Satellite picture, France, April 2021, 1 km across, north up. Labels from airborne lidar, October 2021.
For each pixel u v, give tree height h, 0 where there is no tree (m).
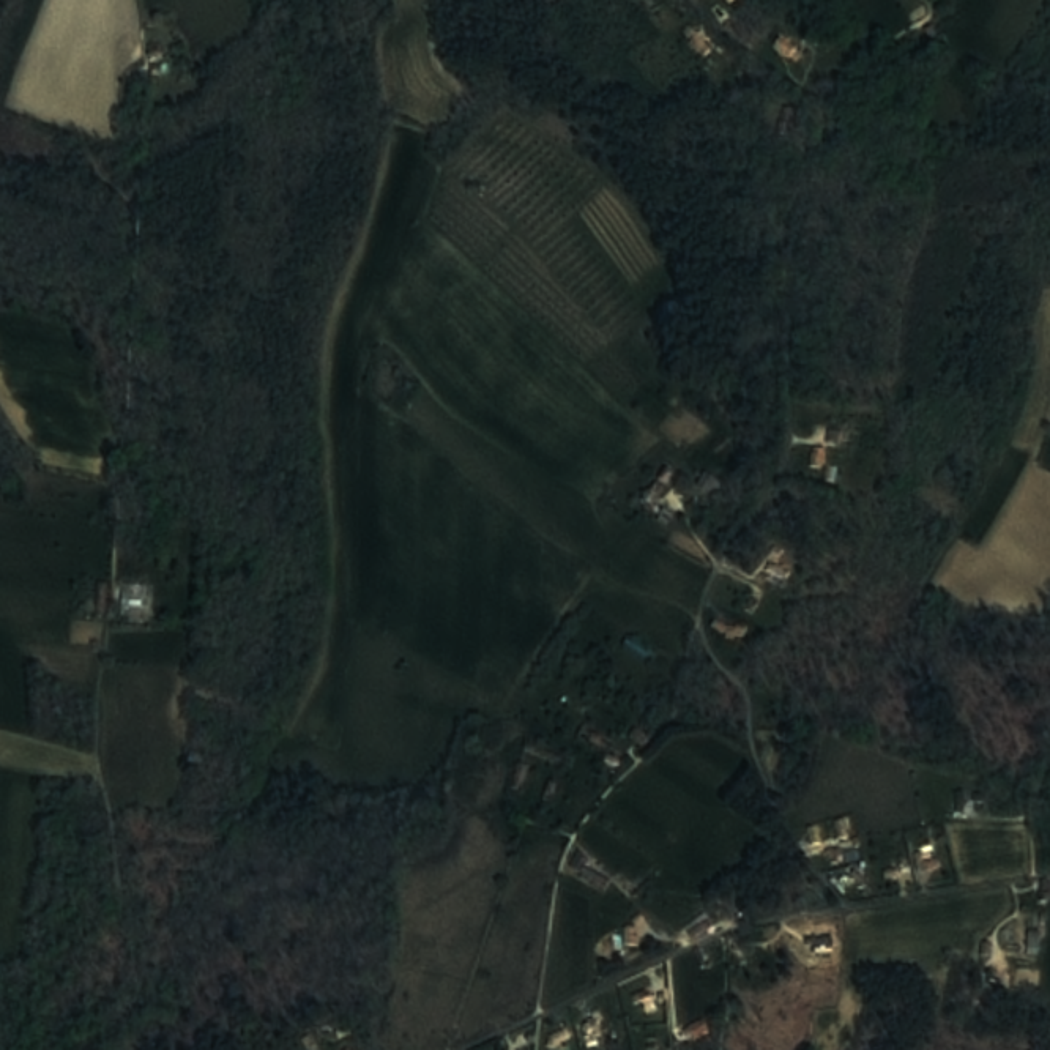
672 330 27
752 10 17
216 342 18
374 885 13
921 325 6
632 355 0
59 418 0
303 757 0
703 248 24
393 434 0
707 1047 19
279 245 17
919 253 19
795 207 17
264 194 18
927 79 22
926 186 21
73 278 21
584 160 14
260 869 13
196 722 14
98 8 0
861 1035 13
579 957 0
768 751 0
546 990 0
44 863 15
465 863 0
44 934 14
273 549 20
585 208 0
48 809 8
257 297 15
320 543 16
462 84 15
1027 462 0
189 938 18
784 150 22
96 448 0
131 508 24
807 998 0
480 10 15
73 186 17
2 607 0
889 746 16
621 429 0
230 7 0
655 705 13
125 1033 10
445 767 12
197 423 17
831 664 14
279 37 15
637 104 22
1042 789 15
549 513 0
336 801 20
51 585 0
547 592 0
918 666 11
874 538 16
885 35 14
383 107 13
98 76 0
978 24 0
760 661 15
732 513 10
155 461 15
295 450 19
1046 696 11
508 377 0
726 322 23
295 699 13
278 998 12
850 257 21
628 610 0
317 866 16
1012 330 21
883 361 22
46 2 0
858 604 15
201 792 13
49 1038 14
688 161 26
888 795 0
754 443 22
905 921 0
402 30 0
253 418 16
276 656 14
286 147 18
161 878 13
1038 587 0
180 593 0
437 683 0
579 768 0
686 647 13
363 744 0
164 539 21
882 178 16
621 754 7
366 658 0
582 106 8
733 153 19
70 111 0
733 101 21
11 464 21
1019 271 17
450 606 0
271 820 15
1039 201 16
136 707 0
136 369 17
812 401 19
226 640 17
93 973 17
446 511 0
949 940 0
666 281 0
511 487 0
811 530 23
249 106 17
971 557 0
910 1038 27
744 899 0
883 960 0
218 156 22
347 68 22
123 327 16
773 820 7
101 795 14
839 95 22
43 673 16
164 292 17
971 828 0
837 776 0
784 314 17
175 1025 7
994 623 15
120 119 14
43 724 14
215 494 20
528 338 0
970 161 9
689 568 0
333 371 0
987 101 12
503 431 0
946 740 24
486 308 0
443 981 0
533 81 18
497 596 0
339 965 13
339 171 21
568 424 0
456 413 0
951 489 15
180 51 8
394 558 0
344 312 0
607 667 11
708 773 0
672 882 0
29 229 19
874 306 19
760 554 15
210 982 6
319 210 23
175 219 21
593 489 0
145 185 22
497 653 0
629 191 22
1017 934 0
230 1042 14
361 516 0
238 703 18
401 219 0
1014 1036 24
